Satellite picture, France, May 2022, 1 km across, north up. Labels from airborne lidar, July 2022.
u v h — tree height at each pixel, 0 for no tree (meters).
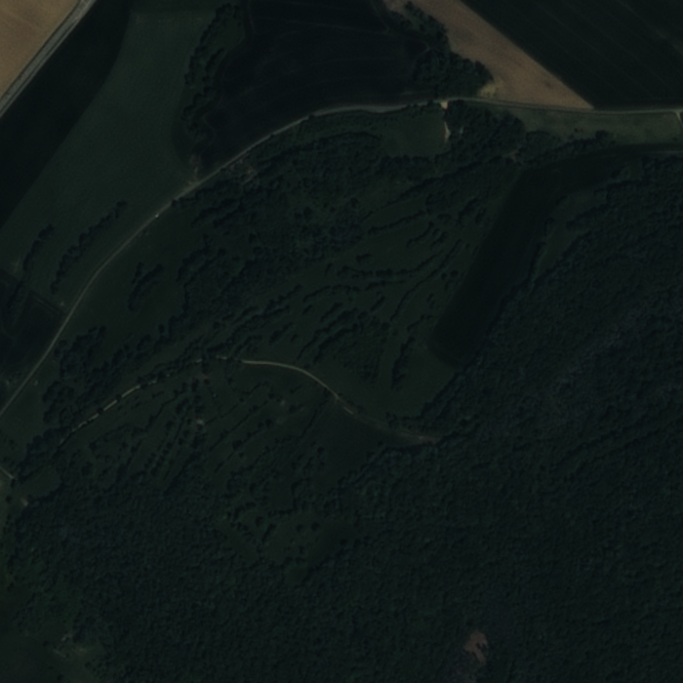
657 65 0
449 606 15
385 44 0
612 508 18
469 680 33
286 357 0
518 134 17
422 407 0
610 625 22
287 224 15
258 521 11
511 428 18
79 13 0
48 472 0
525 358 21
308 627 14
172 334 14
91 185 0
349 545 11
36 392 0
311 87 0
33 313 0
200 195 13
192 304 17
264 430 8
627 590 18
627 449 22
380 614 17
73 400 8
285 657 15
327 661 14
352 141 12
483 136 9
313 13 0
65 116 0
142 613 15
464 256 0
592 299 25
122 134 0
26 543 20
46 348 0
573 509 19
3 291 0
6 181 0
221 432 0
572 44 0
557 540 19
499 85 0
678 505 23
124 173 0
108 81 0
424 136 0
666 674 15
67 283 0
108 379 13
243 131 0
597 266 22
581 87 0
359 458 0
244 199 16
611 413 20
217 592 14
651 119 0
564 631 17
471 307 0
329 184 20
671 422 18
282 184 13
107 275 0
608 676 15
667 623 12
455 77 13
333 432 0
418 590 15
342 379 0
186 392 10
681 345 21
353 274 9
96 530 15
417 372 0
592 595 22
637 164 0
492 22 0
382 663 13
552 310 25
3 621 0
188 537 16
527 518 19
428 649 14
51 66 0
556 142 10
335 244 17
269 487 9
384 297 10
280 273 10
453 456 18
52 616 7
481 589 15
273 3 0
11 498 11
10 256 0
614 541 20
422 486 19
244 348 6
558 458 8
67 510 20
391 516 20
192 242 0
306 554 10
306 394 0
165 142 0
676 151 0
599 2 0
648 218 16
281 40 0
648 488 23
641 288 21
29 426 0
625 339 19
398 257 0
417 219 6
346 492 16
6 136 0
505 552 18
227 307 11
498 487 15
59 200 0
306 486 8
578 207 0
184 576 14
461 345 0
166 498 11
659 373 20
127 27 0
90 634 27
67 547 21
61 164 0
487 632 20
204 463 10
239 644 11
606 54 0
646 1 0
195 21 0
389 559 15
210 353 11
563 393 19
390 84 0
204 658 12
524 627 16
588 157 0
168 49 0
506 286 0
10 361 0
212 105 0
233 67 0
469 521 18
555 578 21
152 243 0
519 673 18
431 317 8
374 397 0
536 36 0
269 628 11
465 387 20
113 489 7
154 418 12
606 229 17
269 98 0
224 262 16
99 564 19
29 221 0
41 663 0
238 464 0
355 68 0
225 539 15
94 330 8
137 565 15
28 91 0
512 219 0
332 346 14
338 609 13
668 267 21
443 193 14
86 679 0
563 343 20
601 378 19
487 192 16
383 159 7
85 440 0
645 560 22
